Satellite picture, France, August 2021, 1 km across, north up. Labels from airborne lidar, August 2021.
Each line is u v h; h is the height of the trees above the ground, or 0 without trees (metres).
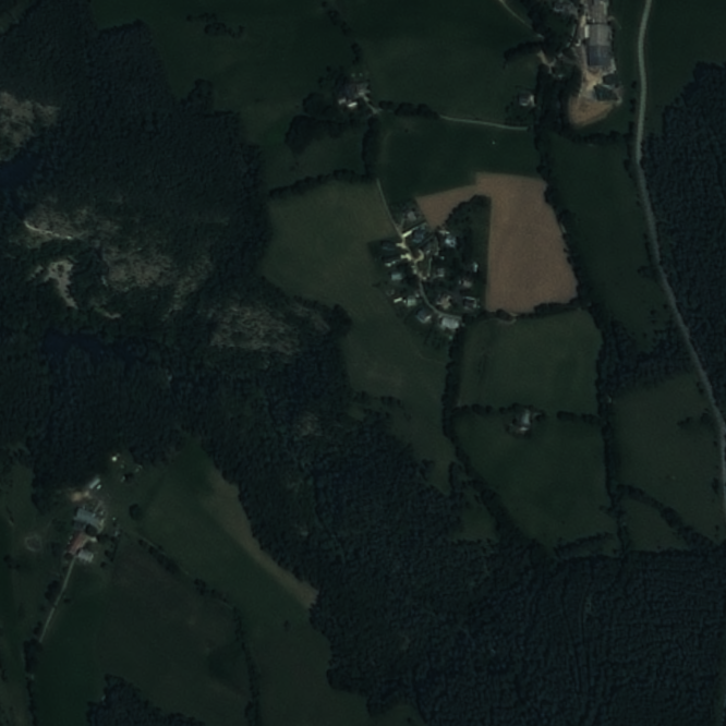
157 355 23
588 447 0
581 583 23
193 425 21
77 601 0
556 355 0
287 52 0
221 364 13
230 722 0
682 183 14
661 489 0
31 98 7
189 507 0
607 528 0
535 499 0
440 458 0
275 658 0
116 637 0
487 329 0
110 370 11
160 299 12
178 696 0
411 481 19
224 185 20
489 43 0
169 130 27
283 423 33
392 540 21
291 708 0
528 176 0
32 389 20
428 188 0
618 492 15
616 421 15
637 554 16
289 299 6
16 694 0
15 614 0
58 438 25
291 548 23
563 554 19
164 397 19
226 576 0
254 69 0
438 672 15
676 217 13
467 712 26
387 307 0
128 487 0
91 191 7
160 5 0
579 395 0
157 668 0
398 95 0
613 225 0
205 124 25
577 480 0
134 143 26
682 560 24
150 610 0
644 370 27
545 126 18
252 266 8
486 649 27
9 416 23
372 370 0
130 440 20
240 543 0
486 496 13
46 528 0
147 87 29
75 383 12
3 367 18
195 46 0
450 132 0
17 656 0
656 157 17
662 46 0
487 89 0
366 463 24
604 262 0
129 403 15
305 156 0
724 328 17
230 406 8
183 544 0
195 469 0
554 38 20
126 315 20
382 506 14
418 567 19
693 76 0
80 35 26
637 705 24
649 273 8
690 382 0
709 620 22
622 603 23
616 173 0
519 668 26
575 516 0
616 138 16
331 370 21
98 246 6
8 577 0
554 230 0
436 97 0
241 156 25
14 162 43
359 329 0
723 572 21
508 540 6
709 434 0
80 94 20
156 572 0
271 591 0
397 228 0
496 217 0
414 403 0
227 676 0
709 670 23
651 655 23
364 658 24
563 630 28
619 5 0
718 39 0
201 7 0
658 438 0
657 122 0
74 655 0
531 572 28
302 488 25
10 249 20
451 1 0
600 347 0
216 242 9
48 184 14
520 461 0
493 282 0
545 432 0
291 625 11
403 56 0
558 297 0
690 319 15
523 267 0
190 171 23
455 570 21
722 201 18
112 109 28
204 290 17
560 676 31
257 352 18
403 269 11
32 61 14
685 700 25
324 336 8
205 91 20
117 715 26
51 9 21
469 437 0
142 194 13
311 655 0
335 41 0
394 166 0
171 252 8
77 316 20
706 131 12
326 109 10
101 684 0
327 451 10
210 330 8
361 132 0
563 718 26
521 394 0
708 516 0
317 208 0
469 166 0
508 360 0
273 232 11
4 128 13
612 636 22
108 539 10
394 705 13
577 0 9
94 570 0
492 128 0
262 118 0
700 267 13
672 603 15
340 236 0
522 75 0
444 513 23
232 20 0
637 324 0
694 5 0
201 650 0
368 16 0
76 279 17
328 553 26
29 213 11
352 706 0
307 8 0
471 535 0
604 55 0
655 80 0
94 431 24
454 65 0
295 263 0
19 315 29
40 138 11
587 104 0
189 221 8
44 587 0
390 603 26
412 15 0
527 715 21
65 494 0
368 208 0
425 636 16
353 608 20
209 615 0
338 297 0
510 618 36
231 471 24
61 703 0
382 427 17
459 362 8
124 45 32
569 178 0
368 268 0
